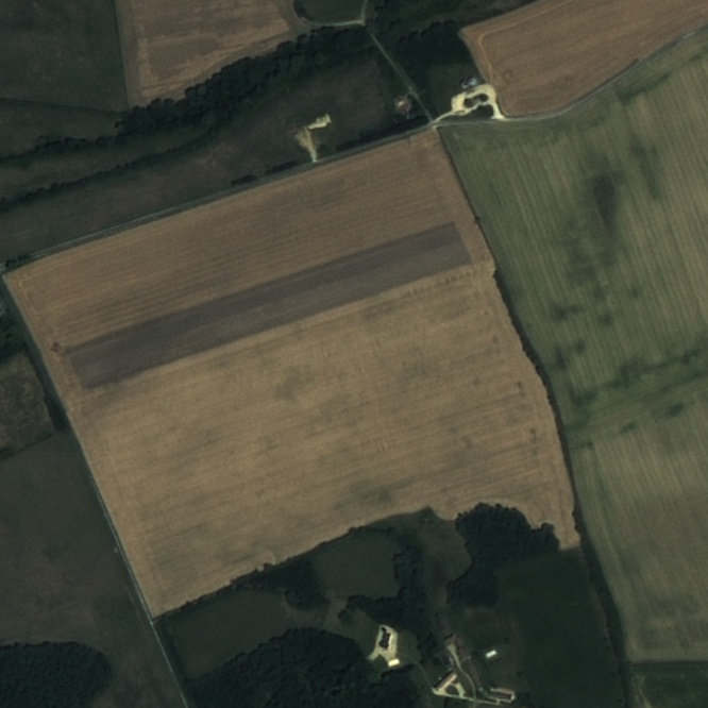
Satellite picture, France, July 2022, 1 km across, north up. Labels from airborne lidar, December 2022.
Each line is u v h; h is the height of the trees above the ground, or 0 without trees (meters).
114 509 0
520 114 0
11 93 0
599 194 0
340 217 0
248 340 0
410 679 17
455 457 0
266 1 0
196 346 0
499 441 0
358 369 0
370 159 0
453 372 0
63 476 0
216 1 0
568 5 0
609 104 0
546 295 0
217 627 0
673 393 0
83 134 0
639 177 0
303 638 19
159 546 0
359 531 8
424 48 10
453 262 0
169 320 0
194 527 0
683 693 0
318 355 0
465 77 0
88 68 0
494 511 17
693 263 0
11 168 0
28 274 0
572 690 0
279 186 0
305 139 0
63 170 0
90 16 0
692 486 0
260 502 0
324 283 0
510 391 0
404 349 0
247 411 0
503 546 23
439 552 0
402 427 0
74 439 0
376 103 0
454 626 0
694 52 0
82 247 0
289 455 0
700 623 0
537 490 0
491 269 0
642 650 0
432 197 0
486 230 0
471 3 0
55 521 0
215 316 0
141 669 0
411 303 0
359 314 0
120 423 0
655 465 0
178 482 0
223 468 0
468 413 0
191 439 0
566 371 0
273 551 0
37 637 0
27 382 0
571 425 0
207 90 15
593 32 0
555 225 0
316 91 0
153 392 0
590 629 0
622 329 0
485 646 0
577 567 0
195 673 0
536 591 0
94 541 0
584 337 0
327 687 10
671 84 0
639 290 0
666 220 0
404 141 0
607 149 0
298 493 0
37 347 0
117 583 0
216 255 0
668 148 0
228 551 0
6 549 0
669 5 0
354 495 0
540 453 0
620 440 0
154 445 0
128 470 0
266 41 0
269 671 13
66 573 0
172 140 0
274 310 0
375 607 16
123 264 0
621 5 0
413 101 6
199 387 0
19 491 0
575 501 0
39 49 0
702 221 0
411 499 0
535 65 0
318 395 0
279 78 19
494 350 0
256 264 0
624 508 0
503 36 0
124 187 0
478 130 0
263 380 0
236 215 0
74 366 0
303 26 0
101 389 0
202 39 0
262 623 0
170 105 18
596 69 0
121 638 0
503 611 0
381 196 0
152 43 0
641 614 0
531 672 0
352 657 19
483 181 0
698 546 0
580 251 0
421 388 0
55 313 0
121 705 0
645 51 0
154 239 0
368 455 0
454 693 0
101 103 0
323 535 0
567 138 0
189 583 0
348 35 19
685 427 0
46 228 0
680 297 0
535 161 0
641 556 0
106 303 0
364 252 0
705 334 0
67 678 17
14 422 0
